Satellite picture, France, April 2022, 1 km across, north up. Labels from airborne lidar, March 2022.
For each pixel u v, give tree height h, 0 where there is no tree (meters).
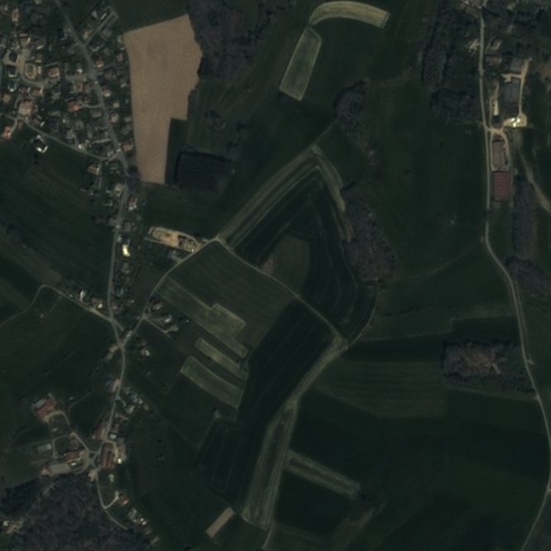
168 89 0
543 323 0
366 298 0
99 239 0
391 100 0
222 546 0
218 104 0
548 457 0
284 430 0
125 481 0
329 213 0
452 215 0
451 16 23
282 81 0
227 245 0
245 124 0
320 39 0
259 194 0
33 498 30
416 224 0
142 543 25
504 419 0
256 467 0
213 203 0
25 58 0
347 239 0
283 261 0
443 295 0
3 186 0
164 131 0
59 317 0
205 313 0
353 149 0
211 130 9
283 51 0
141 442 0
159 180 0
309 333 0
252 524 0
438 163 0
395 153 0
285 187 0
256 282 0
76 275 0
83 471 0
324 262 0
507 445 0
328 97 0
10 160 0
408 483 0
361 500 0
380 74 0
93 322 0
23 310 0
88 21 0
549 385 0
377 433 0
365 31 0
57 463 0
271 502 0
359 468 0
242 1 0
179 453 0
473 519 0
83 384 0
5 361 0
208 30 29
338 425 0
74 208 0
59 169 0
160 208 0
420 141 0
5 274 0
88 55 0
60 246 0
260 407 0
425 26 12
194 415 0
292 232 0
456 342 0
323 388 0
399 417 0
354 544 0
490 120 0
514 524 0
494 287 0
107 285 0
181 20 0
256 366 0
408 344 0
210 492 0
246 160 0
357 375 0
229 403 0
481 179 0
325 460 0
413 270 0
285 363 0
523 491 0
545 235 0
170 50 0
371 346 0
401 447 0
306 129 0
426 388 0
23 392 0
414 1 0
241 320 0
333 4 0
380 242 29
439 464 0
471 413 0
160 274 0
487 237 0
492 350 17
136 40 0
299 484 0
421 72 0
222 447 0
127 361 0
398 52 0
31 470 0
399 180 0
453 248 0
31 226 0
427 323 0
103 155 13
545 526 0
